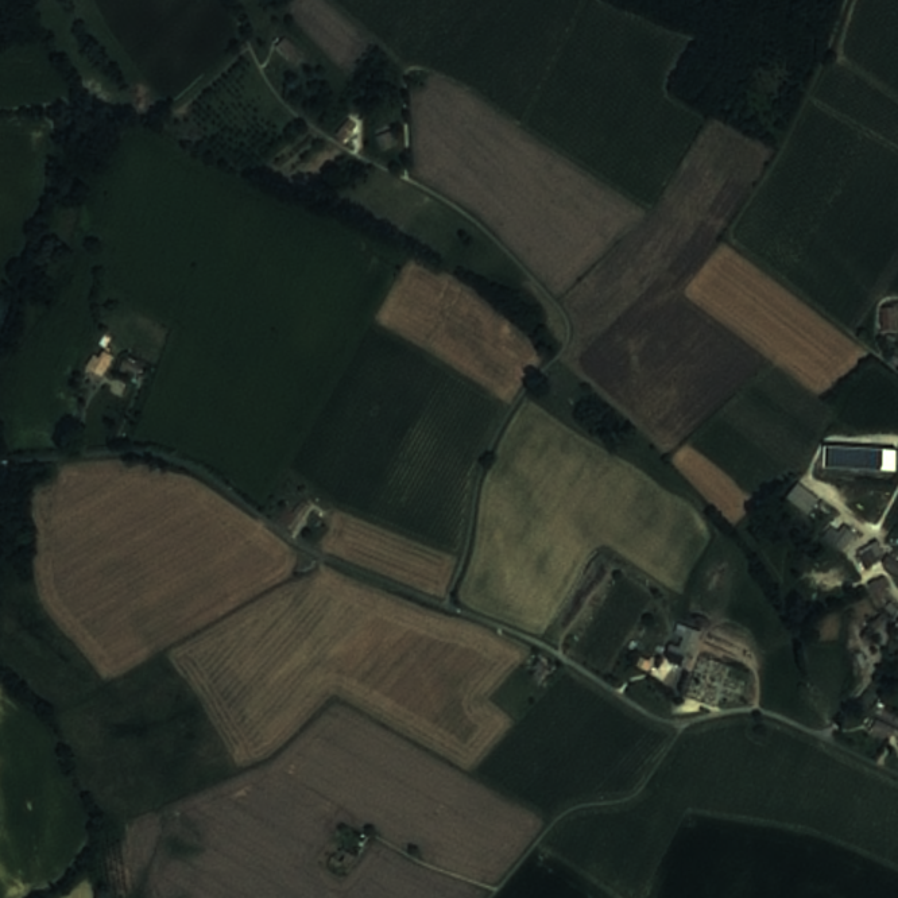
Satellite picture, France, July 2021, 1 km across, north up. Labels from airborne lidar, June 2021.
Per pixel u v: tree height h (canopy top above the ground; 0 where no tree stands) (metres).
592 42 0
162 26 0
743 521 0
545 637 0
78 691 0
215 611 0
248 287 0
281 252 0
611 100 0
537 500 0
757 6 13
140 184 0
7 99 0
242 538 0
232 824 0
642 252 0
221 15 0
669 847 0
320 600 0
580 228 0
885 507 0
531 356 0
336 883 0
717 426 0
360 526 0
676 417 0
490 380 0
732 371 0
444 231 0
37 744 0
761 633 0
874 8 0
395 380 0
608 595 0
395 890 0
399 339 0
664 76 0
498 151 0
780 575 0
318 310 0
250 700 0
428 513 0
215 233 0
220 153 11
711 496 0
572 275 0
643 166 0
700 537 0
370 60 8
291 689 0
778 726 0
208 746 0
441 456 0
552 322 0
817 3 22
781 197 0
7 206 0
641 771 0
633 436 12
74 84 14
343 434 0
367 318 0
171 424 0
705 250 0
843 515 0
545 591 0
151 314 0
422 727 0
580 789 0
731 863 0
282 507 7
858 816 0
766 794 0
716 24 19
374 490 0
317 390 0
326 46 0
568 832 0
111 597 0
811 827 0
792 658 0
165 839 0
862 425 0
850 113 0
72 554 0
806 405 0
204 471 9
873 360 8
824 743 0
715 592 0
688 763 0
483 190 0
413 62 0
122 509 0
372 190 0
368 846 0
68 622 0
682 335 0
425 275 0
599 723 0
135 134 0
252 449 0
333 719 0
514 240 0
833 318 0
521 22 0
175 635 0
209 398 0
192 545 0
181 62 0
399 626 0
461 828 0
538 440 0
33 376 0
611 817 0
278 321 0
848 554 0
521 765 0
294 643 0
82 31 9
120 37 0
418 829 0
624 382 0
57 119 10
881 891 0
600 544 0
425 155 0
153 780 0
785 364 0
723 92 9
